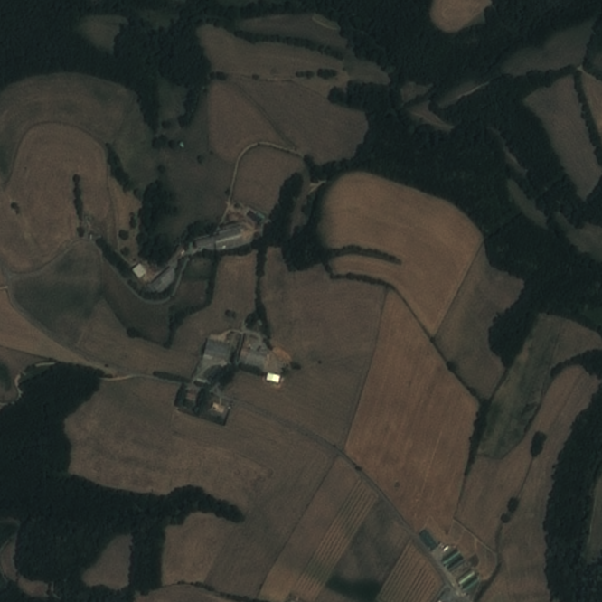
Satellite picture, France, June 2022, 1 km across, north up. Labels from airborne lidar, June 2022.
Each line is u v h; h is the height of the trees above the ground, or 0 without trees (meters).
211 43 0
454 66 16
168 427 0
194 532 0
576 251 17
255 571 0
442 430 0
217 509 13
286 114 0
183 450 0
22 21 13
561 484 15
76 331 0
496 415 0
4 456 16
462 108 15
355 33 18
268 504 0
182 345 0
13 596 16
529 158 17
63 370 15
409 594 0
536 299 21
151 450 0
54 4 19
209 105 0
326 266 9
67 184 0
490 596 0
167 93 0
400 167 18
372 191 0
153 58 15
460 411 0
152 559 16
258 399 0
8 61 12
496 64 10
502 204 16
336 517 0
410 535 0
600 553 0
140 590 13
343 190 0
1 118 0
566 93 0
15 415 11
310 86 0
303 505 0
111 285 0
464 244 0
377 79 0
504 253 21
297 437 0
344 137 0
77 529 19
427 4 14
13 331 0
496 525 0
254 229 0
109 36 0
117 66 17
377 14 11
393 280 0
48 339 0
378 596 0
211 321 0
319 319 0
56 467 15
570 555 23
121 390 0
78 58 18
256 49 0
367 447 0
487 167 17
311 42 18
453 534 0
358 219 0
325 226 0
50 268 0
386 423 0
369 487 0
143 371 0
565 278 20
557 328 0
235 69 0
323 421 0
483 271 0
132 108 0
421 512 0
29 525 21
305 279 0
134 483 0
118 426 0
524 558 0
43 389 16
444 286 0
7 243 0
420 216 0
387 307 0
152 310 0
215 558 0
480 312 0
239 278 0
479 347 0
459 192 17
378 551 0
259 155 0
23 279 0
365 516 0
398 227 0
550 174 18
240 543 0
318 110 0
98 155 0
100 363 0
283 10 16
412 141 26
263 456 0
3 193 0
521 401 0
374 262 0
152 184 10
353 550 0
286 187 14
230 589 0
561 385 0
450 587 0
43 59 11
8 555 0
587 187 0
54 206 0
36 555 17
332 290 0
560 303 18
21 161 0
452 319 0
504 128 24
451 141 23
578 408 0
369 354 0
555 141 0
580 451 11
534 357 0
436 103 15
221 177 0
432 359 0
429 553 0
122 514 27
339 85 0
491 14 19
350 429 0
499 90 16
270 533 0
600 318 0
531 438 0
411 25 17
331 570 0
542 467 0
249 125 0
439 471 0
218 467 0
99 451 0
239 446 0
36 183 0
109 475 0
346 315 0
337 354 0
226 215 0
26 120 0
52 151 0
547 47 0
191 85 20
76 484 21
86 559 16
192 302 0
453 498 0
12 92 0
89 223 0
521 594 0
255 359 0
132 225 9
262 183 0
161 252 12
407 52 14
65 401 18
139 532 18
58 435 16
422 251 0
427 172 20
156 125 14
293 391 0
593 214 15
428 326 0
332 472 0
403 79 14
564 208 16
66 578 11
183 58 18
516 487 0
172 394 0
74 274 0
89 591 10
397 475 0
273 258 0
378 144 15
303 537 0
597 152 11
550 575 15
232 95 0
